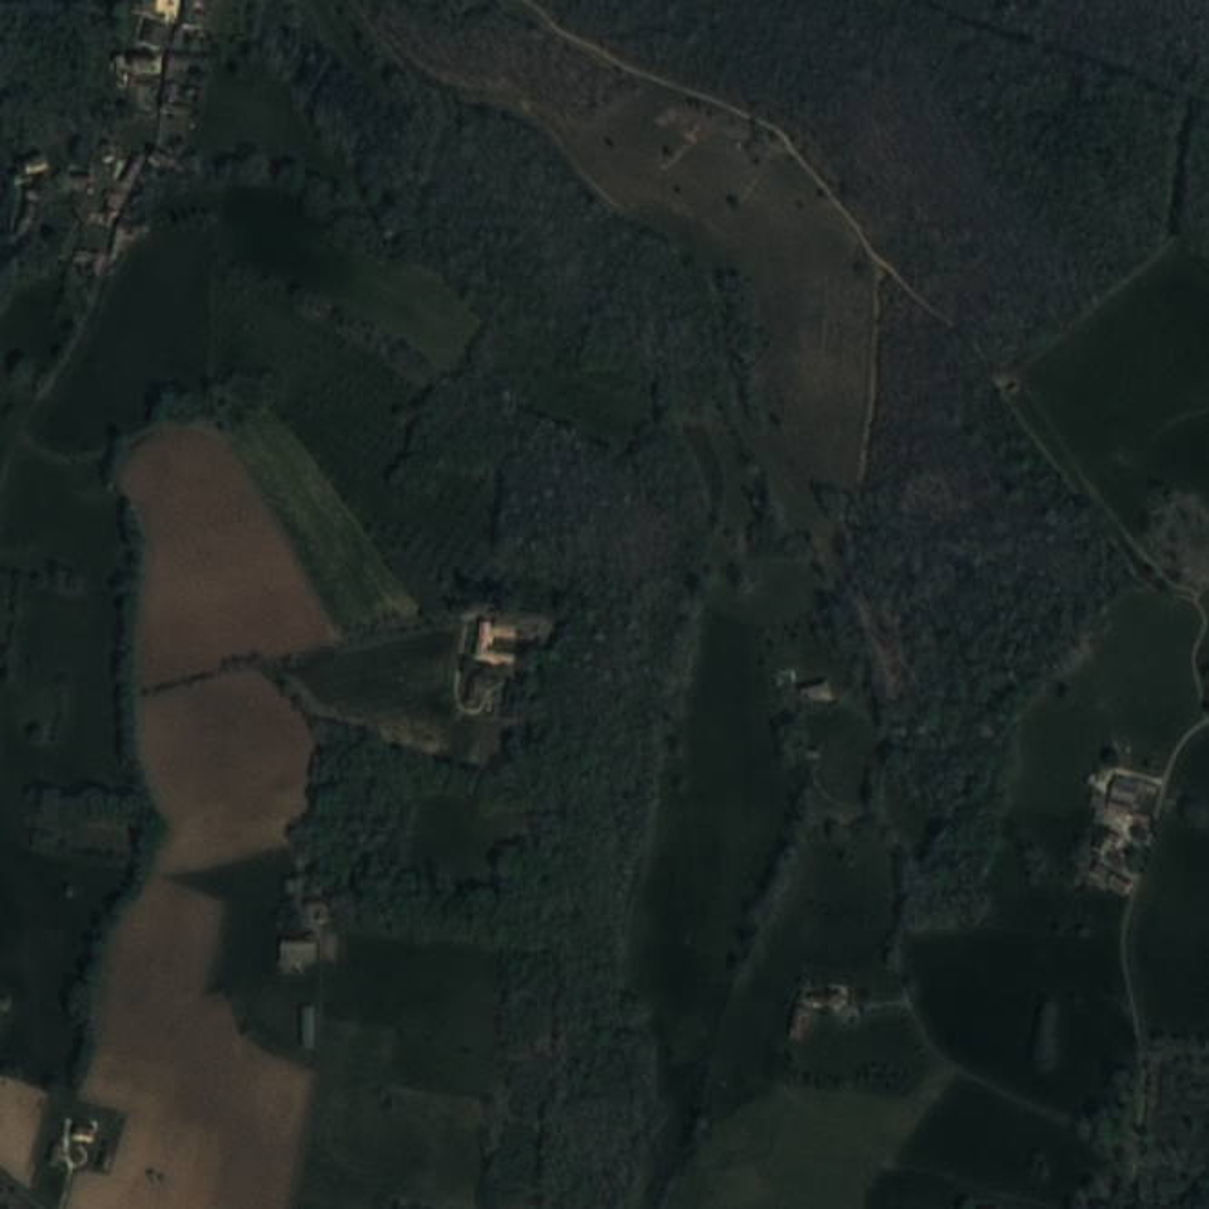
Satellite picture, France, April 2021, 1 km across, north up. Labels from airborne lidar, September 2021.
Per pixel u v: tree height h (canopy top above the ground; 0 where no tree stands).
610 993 18
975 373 11
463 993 0
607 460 17
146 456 0
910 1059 0
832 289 0
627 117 0
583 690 21
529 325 15
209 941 0
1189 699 0
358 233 28
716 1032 0
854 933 0
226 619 0
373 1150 0
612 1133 17
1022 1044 0
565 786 25
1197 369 0
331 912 20
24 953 0
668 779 0
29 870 0
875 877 0
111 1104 0
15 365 15
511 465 17
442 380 13
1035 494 14
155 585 0
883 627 21
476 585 9
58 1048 0
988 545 17
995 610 14
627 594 16
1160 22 21
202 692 0
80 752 0
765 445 0
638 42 10
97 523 0
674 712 17
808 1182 0
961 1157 0
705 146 0
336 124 27
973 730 19
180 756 0
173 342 0
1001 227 16
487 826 0
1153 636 0
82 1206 0
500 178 16
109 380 0
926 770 13
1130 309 0
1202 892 0
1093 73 20
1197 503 0
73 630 0
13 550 0
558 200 17
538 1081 12
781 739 17
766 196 0
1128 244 20
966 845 20
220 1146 0
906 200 12
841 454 0
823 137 9
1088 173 20
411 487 14
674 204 0
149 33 0
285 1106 0
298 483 0
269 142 0
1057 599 20
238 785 0
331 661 0
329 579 0
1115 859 7
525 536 19
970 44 9
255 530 0
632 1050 26
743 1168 0
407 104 23
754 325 16
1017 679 16
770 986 0
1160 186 21
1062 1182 0
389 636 7
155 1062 0
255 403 8
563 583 15
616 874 13
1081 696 0
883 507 20
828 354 0
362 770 21
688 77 8
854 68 10
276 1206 0
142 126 0
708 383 22
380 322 0
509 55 19
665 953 0
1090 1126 17
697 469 9
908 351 9
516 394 9
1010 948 0
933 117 17
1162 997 0
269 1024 0
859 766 0
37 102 25
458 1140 0
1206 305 0
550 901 19
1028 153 15
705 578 15
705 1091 7
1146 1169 20
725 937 0
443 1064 0
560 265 17
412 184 30
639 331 17
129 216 8
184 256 0
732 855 0
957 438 10
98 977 15
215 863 0
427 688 0
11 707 0
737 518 0
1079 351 0
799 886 0
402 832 21
